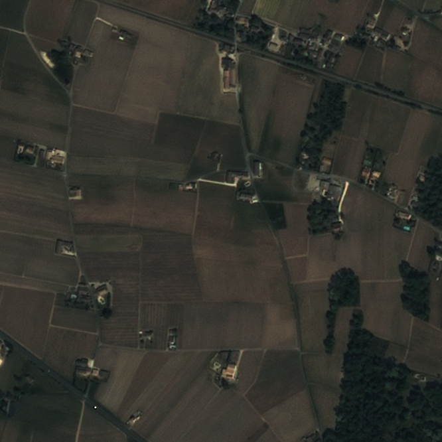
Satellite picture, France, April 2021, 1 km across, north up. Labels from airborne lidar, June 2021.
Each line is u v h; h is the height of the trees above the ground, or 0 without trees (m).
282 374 0
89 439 0
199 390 0
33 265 0
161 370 0
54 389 0
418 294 17
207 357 0
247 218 0
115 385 0
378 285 0
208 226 0
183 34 0
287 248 0
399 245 0
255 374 0
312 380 0
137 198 0
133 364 0
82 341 0
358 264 0
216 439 0
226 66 0
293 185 0
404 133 0
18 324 0
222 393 0
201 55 0
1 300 0
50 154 0
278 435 0
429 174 8
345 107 12
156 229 0
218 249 0
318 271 0
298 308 0
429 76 0
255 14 0
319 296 0
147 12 0
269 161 0
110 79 0
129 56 0
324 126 12
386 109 0
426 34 0
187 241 0
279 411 0
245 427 0
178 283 0
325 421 0
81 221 0
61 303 0
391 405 13
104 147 0
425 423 18
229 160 0
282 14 0
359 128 0
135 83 0
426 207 13
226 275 0
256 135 0
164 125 0
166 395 0
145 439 0
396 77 0
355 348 19
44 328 0
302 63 5
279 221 0
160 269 0
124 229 0
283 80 0
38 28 0
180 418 0
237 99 0
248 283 0
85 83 0
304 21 0
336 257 0
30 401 0
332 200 8
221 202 0
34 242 0
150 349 0
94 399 0
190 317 0
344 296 10
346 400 11
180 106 0
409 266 19
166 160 0
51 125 0
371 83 0
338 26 0
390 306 0
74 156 0
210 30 11
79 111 0
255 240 0
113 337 0
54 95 0
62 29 0
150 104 0
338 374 0
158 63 0
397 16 0
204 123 0
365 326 0
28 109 0
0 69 0
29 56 0
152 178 0
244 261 0
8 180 0
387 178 0
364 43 14
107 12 0
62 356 0
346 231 0
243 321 0
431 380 0
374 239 0
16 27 0
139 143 0
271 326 0
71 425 0
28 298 0
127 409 0
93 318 0
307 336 0
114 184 0
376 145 0
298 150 0
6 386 0
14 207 0
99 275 0
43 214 0
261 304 0
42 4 0
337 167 0
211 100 0
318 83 0
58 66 0
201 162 0
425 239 0
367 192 0
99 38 0
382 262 0
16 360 0
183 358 0
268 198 0
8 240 0
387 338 0
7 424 0
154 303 0
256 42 16
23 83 0
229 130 0
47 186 0
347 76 0
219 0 0
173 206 0
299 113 0
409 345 0
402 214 0
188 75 0
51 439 0
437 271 9
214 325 0
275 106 0
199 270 0
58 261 0
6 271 0
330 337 8
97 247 0
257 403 0
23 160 14
